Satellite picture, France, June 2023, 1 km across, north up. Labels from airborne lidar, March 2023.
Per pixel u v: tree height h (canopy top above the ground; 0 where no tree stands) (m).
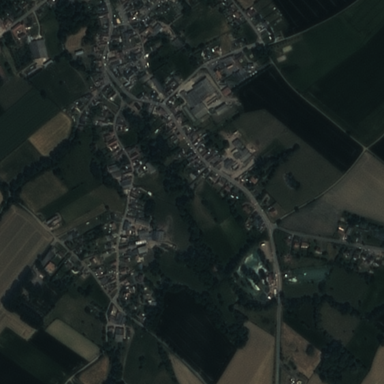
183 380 0
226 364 0
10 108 0
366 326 0
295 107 0
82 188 0
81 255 14
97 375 0
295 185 12
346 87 0
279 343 0
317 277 0
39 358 0
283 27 0
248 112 0
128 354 0
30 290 25
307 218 0
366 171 0
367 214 0
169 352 0
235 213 16
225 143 13
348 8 0
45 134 0
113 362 14
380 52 0
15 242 0
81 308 0
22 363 0
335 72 0
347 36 0
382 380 0
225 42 0
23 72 0
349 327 0
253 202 0
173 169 6
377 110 0
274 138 0
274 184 0
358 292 0
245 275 13
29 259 0
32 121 0
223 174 0
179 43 0
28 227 0
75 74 0
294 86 0
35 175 13
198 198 0
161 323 0
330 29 0
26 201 0
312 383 0
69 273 8
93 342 6
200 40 0
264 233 0
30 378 0
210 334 0
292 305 22
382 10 0
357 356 0
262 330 0
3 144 0
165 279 9
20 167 0
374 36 0
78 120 0
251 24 0
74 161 0
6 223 0
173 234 0
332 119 0
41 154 0
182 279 0
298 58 0
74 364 0
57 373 0
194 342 0
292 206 0
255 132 0
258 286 0
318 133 0
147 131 26
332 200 0
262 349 0
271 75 0
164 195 0
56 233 0
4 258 0
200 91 0
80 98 0
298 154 0
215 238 0
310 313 0
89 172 0
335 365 18
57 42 0
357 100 0
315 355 0
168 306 0
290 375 0
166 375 0
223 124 0
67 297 0
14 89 0
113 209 0
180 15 0
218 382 0
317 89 0
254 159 0
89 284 0
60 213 0
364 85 0
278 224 9
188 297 0
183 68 0
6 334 0
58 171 16
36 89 0
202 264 20
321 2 0
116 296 0
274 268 0
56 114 0
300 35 0
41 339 0
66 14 28
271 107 0
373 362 0
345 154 0
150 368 0
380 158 0
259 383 0
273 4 0
